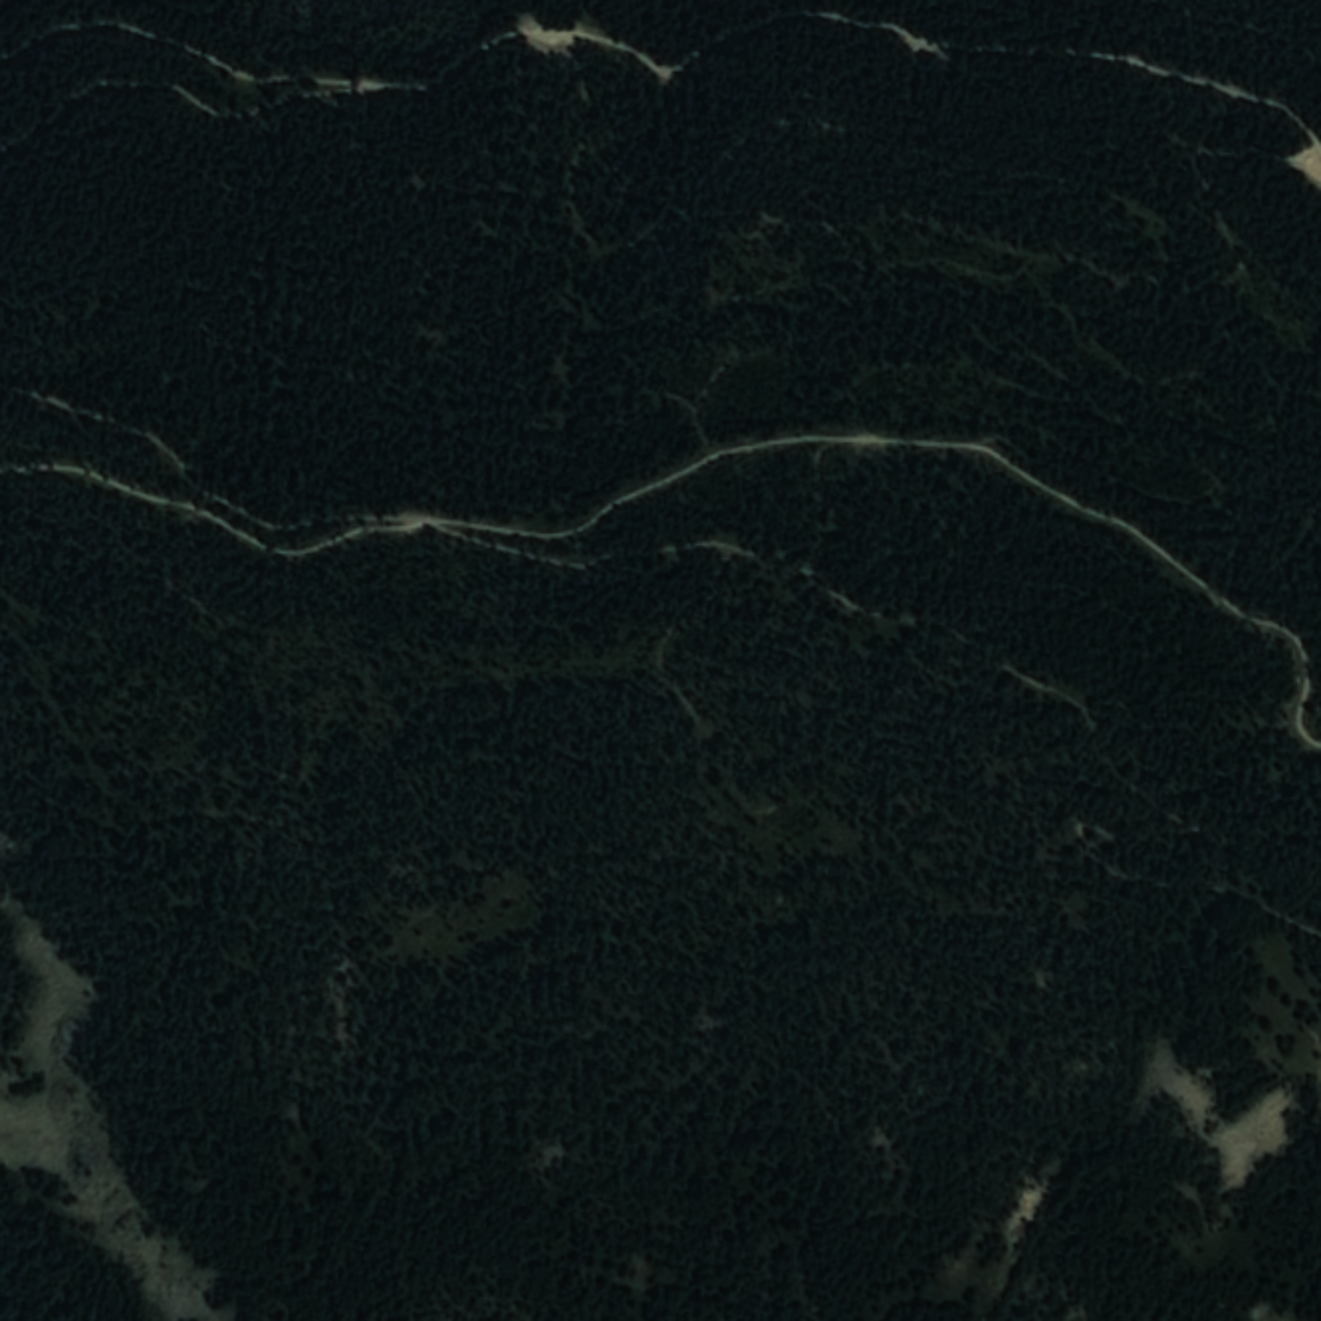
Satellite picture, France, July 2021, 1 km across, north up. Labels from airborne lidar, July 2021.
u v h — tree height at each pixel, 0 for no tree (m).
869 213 17
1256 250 17
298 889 17
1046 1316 11
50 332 26
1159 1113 8
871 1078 10
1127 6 21
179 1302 0
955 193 11
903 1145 14
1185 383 6
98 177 18
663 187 10
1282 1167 18
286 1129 17
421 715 8
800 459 9
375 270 19
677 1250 17
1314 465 19
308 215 21
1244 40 18
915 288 22
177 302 13
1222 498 8
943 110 20
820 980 17
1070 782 16
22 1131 0
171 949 15
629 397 7
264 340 19
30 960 0
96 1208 0
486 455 19
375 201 22
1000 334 20
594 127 18
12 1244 22
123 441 17
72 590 20
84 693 13
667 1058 19
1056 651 16
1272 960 0
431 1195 18
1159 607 15
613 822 14
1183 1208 15
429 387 21
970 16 23
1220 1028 22
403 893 14
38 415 20
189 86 20
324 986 14
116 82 10
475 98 17
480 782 20
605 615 15
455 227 17
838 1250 12
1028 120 20
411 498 17
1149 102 16
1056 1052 12
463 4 16
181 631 20
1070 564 19
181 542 15
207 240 21
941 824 15
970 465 13
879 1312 9
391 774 16
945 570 14
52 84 24
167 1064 20
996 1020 19
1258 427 7
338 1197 14
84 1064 12
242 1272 9
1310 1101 13
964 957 18
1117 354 21
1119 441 10
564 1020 14
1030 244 15
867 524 18
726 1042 18
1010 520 17
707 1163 20
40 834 10
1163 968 14
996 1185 10
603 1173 11
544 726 19
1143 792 15
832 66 13
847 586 10
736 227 16
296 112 15
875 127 17
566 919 20
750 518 13
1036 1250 6
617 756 21
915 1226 14
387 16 15
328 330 18
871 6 19
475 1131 15
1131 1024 17
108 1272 12
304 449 10
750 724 21
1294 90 18
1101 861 16
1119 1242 13
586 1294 17
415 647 16
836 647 22
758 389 6
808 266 7
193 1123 18
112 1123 5
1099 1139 16
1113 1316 14
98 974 14
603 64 10
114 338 20
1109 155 21
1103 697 21
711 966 20
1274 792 31
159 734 9
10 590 21
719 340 8
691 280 17
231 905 19
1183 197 18
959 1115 20
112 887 23
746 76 12
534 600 11
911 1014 19
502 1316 10
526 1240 11
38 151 22
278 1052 8
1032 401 20
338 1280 11
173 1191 12
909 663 18
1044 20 23
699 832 18
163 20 18
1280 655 12
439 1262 10
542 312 21
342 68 10
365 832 16
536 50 11
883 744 15
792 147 14
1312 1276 13
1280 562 9
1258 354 20
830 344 18
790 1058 13
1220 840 22
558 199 21
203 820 22
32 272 22
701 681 17
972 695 20
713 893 14
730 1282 12
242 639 20
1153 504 21
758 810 0
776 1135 19
